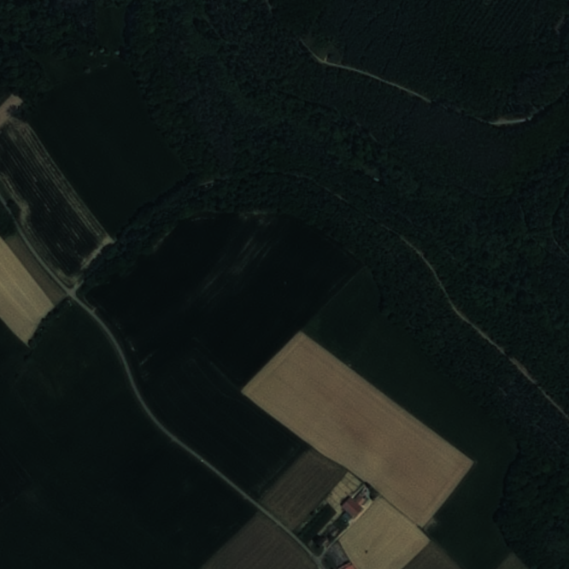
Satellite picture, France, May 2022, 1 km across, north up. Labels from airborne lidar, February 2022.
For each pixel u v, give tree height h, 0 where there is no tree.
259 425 0
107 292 0
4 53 27
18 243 0
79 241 0
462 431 0
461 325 18
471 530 0
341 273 0
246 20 26
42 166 0
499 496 0
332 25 12
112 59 0
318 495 0
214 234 0
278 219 0
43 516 0
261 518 0
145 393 0
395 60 10
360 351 0
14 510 0
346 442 0
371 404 0
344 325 0
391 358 0
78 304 0
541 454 18
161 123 13
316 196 23
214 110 23
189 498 0
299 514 0
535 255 30
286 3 16
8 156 0
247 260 0
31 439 0
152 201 0
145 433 0
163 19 24
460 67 7
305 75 10
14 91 15
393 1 10
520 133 15
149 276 0
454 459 0
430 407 0
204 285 0
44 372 0
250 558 0
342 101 9
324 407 0
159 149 0
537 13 10
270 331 0
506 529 22
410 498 0
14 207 12
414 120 17
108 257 18
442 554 0
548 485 28
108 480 0
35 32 25
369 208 15
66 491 0
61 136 0
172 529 0
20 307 0
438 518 0
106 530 0
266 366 0
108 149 0
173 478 0
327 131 26
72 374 0
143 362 0
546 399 21
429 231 11
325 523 0
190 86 21
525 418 21
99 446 0
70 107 0
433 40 10
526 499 30
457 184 14
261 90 26
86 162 0
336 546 0
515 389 19
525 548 21
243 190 9
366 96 11
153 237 20
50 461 0
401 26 10
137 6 27
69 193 0
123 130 0
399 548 0
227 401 0
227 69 22
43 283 0
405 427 0
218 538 0
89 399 0
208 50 22
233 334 0
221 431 0
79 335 0
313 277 0
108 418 0
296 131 22
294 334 0
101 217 0
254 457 0
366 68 6
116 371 0
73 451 0
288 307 0
